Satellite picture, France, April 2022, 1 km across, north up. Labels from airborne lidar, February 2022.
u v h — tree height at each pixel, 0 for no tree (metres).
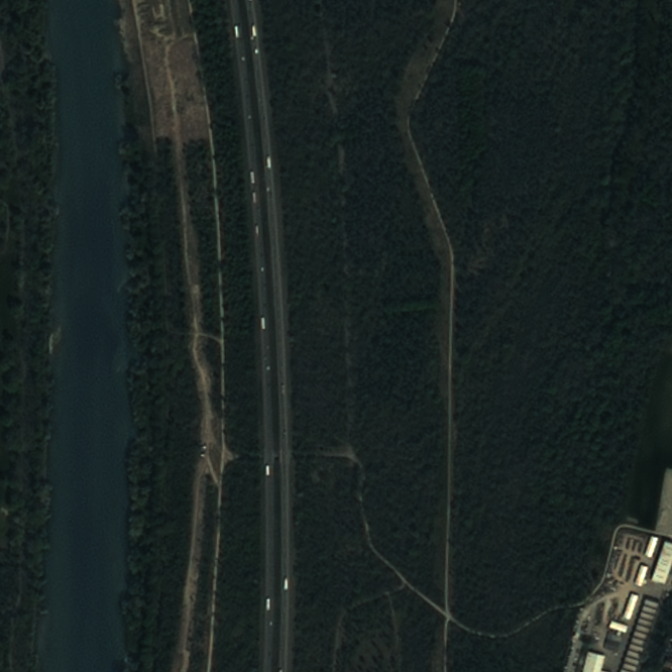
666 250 23
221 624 12
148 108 0
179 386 17
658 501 0
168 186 15
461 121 16
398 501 13
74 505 0
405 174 11
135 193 15
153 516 19
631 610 0
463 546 16
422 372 12
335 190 15
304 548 11
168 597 12
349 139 16
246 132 0
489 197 17
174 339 18
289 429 0
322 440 8
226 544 10
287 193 11
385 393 13
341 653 0
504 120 18
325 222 11
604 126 13
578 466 17
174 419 15
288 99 14
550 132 18
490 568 13
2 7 23
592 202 19
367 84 13
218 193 10
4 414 17
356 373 13
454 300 0
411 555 12
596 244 12
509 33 8
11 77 24
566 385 17
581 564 6
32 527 20
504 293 14
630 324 20
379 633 0
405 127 0
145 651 19
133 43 0
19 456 13
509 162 17
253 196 0
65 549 0
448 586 0
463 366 15
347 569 14
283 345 0
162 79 14
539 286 8
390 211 14
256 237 0
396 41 12
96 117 0
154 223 21
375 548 13
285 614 0
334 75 8
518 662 15
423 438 15
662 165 20
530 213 17
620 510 13
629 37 17
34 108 17
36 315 28
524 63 16
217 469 0
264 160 0
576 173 7
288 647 0
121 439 0
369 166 17
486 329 12
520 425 11
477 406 11
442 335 0
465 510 14
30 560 28
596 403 15
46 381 18
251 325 11
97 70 0
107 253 0
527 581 9
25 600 21
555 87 13
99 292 0
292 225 14
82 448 0
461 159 13
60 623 0
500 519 12
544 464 17
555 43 18
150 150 0
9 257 0
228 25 11
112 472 0
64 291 0
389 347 16
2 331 0
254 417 11
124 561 0
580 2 14
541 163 17
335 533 13
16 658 18
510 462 12
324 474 12
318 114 11
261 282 0
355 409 12
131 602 21
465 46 18
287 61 12
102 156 0
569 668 0
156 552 15
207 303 12
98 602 0
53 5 0
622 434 16
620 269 21
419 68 0
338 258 14
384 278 11
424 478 14
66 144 0
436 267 16
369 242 16
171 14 0
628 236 20
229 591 10
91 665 0
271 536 0
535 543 7
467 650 12
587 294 6
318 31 13
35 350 24
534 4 15
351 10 14
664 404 0
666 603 15
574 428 15
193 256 0
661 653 14
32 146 32
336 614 11
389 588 10
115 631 0
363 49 6
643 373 15
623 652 0
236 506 12
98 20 0
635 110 25
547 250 15
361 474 15
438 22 0
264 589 0
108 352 0
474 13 13
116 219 0
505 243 12
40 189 17
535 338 10
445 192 14
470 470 6
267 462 0
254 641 9
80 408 0
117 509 0
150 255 28
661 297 25
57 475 0
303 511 16
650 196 21
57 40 0
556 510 9
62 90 0
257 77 0
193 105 20
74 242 0
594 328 17
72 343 0
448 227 10
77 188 0
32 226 23
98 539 0
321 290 12
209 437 0
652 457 0
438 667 0
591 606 0
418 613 11
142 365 8
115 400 0
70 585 0
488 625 11
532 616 12
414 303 18
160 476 21
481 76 14
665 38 13
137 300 15
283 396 0
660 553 0
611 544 0
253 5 0
